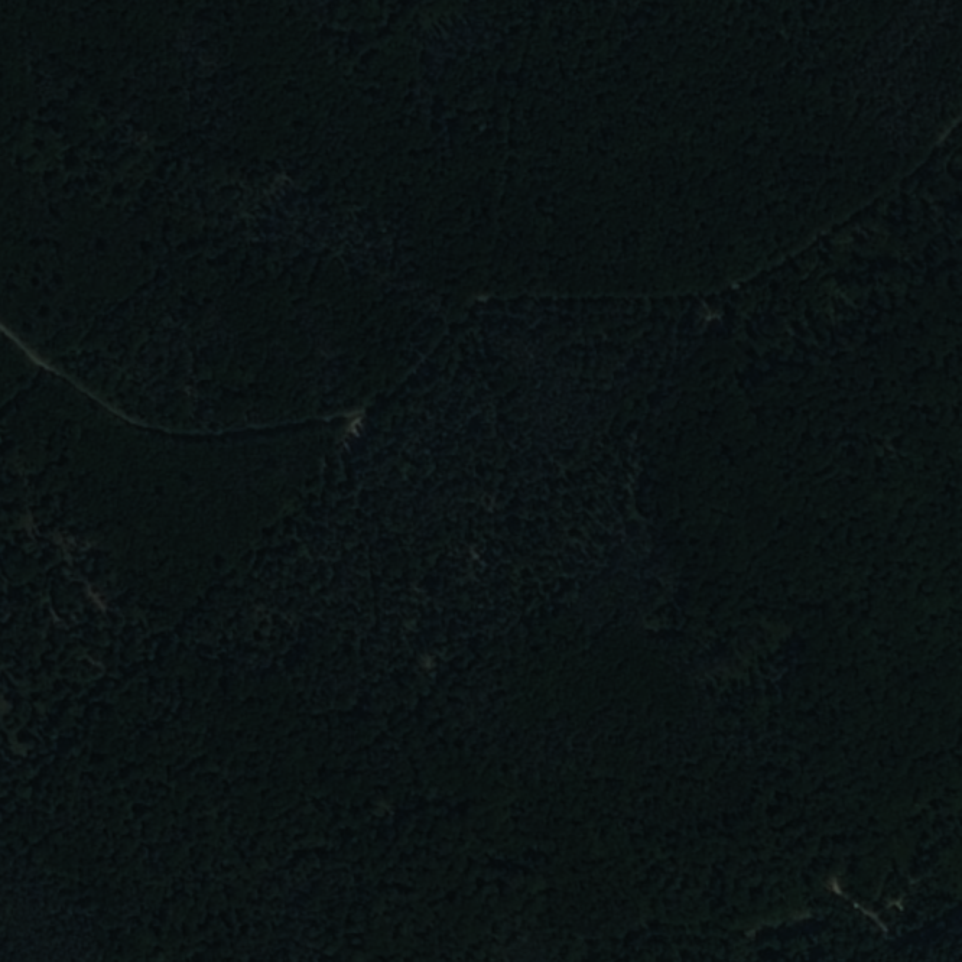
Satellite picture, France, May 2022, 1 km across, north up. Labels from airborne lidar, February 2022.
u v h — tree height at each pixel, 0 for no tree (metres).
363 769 31
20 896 26
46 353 9
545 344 29
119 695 31
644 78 26
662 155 25
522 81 23
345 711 8
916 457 32
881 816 28
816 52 29
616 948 21
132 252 16
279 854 28
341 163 27
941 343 29
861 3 28
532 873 27
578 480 26
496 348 27
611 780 22
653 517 22
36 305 13
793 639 0
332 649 27
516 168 28
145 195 14
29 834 28
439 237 29
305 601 34
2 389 13
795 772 27
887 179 24
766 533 32
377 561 34
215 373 26
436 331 23
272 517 13
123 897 28
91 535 22
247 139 25
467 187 32
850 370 28
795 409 31
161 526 18
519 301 23
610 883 22
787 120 29
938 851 23
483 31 30
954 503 30
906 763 29
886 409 32
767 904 32
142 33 26
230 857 32
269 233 31
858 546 31
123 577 19
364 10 31
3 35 25
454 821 34
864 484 30
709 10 29
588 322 28
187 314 22
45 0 25
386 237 18
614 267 27
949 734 30
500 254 29
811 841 29
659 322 26
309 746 30
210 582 15
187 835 32
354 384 25
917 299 32
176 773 31
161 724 29
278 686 30
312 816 30
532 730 23
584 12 27
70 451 17
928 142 23
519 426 28
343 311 25
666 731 20
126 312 22
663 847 27
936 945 26
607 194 27
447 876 34
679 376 29
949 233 30
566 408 28
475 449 33
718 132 29
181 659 26
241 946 33
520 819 25
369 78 25
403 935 28
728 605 30
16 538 12
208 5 22
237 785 31
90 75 29
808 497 31
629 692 23
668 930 26
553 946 21
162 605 10
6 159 13
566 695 23
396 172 31
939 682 33
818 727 30
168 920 31
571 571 31
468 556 31
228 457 17
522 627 24
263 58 26
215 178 31
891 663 29
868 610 32
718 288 21
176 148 22
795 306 10
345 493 26
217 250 23
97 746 29
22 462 25
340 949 33
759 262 26
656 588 21
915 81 25
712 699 22
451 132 30
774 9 30
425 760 27
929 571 29
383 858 29
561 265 28
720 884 28
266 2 25
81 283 15
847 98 27
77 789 30
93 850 23
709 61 25
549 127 27
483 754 26
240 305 25
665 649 20
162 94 24
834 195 30
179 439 14
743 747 24
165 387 20
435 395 29
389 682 30
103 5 25
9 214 13
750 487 33
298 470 18
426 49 26
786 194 28
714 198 28
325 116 24
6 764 31
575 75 23
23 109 21
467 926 31
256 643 29
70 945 28
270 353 23
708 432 31
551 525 25
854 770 30
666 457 32
